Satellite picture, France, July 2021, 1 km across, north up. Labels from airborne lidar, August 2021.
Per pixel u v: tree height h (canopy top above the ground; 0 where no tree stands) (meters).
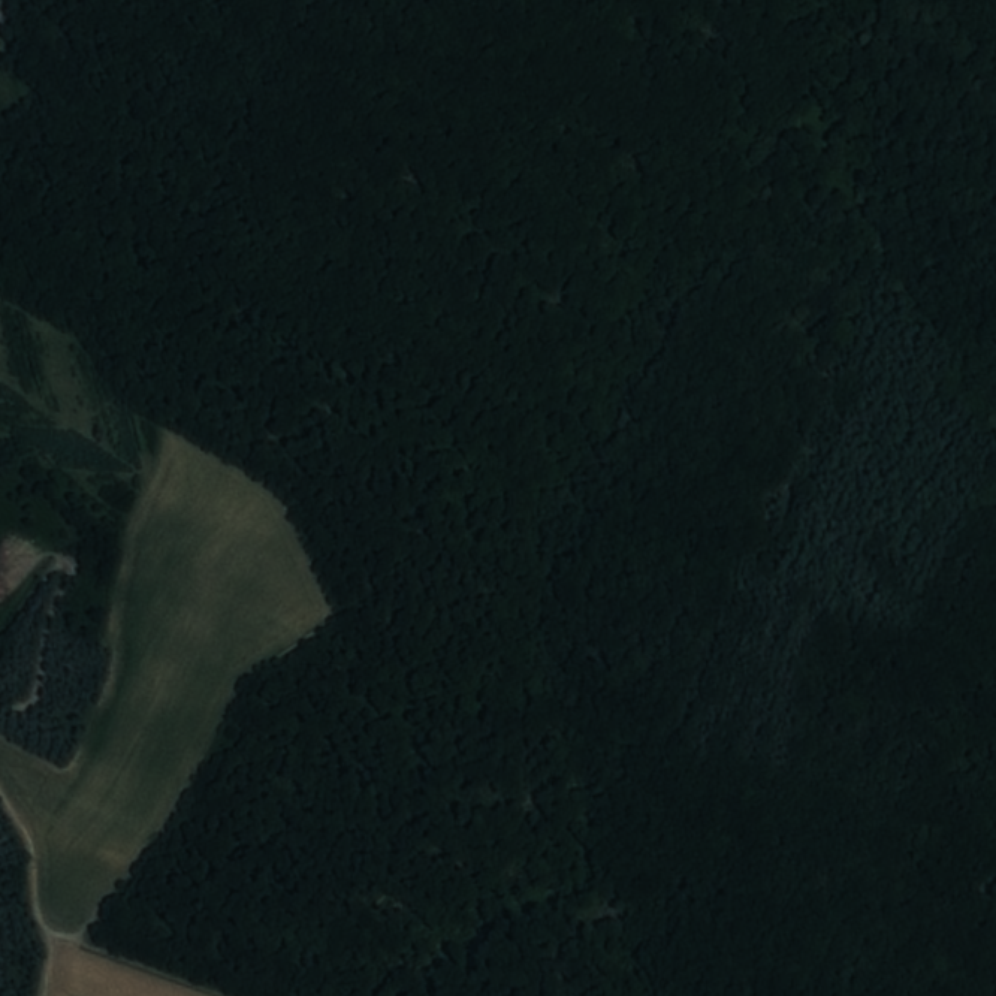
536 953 27
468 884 32
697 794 27
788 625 20
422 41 25
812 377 27
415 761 8
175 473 0
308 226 28
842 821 22
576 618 22
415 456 33
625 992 29
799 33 33
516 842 25
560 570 29
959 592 30
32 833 0
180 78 26
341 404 34
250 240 29
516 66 24
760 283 26
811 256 29
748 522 28
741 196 30
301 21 24
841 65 32
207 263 35
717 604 25
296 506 12
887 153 24
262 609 0
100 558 7
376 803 30
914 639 26
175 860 26
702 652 18
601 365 28
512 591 26
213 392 33
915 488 31
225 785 24
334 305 26
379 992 6
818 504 22
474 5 26
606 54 31
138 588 0
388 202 25
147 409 8
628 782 19
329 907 26
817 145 28
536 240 31
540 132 26
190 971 18
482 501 31
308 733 36
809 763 17
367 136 27
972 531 28
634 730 23
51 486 15
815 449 23
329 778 38
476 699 6
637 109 27
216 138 22
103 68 28
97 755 0
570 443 29
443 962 8
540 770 21
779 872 25
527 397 29
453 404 37
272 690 29
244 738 12
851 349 20
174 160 23
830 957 20
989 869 31
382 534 34
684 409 26
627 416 25
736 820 28
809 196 23
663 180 33
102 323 23
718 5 30
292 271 29
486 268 20
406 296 18
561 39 26
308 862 27
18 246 35
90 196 31
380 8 27
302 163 26
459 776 26
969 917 20
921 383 29
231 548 0
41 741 17
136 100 24
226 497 0
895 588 23
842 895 23
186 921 30
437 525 34
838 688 12
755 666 20
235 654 0
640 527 32
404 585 26
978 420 20
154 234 33
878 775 18
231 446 17
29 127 17
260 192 27
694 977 24
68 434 6
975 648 30
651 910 27
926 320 15
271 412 31
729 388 23
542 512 23
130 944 16
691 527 28
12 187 40
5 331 6
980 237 22
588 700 21
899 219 21
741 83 27
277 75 21
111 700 0
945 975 20
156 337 34
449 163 26
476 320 23
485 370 29
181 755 0
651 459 24
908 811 21
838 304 28
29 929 17
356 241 26
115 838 0
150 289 35
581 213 27
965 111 20
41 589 16
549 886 41
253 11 28
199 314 28
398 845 27
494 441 28
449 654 28
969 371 22
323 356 35
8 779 0
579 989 26
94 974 0
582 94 19
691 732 20
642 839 25
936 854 11
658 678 22
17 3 21
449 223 20
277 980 17
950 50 19
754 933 26
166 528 0
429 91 21
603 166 31
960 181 21
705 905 25
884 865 21
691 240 31
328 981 27
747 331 23
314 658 20
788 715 17
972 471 22
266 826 29
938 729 22
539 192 29
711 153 31
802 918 27
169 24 27
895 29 22
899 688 17
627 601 26
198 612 0
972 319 23
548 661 24
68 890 0
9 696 19
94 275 33
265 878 32
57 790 0
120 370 24
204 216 27
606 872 23
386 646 32
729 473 25
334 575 22
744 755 20
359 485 29
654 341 24
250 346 29
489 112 22
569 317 31
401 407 33
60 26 8
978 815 27
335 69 26
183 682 0
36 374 8
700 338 24
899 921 19
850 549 26
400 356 32
